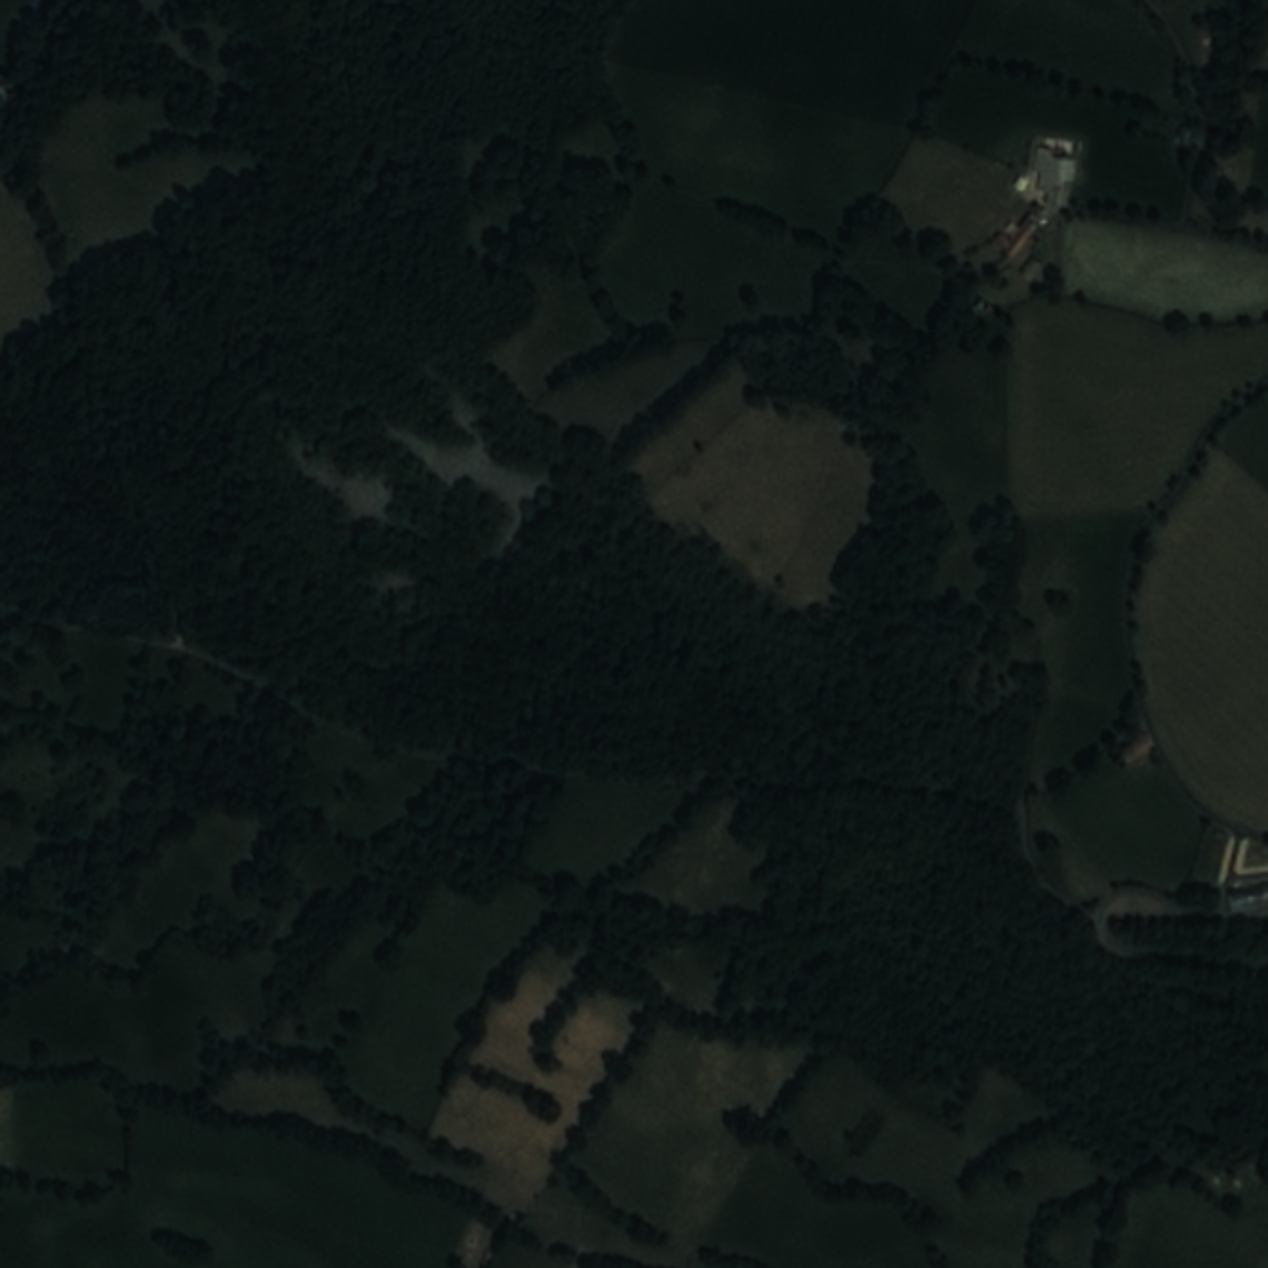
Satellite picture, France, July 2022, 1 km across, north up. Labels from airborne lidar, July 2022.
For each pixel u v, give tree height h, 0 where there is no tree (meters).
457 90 22
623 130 23
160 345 24
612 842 0
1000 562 24
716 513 0
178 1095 17
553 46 19
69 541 16
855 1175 0
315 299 13
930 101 16
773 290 0
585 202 21
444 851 22
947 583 0
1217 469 0
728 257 0
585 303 0
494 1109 0
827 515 0
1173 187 0
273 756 21
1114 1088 21
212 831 0
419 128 21
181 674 17
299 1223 0
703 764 20
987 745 13
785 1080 0
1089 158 0
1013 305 0
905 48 0
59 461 18
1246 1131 14
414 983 0
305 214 15
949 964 13
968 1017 19
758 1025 20
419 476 13
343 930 19
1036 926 17
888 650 16
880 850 13
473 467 0
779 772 24
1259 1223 0
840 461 0
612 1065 20
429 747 13
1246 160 0
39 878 7
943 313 17
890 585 14
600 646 25
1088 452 0
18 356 18
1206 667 0
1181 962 18
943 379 0
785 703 23
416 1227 0
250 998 0
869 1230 0
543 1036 22
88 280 23
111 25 19
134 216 0
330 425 12
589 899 10
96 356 20
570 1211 0
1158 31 10
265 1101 0
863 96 0
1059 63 0
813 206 0
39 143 17
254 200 28
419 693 21
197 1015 0
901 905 10
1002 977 21
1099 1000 18
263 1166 0
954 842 15
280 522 16
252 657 15
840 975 11
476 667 23
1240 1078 18
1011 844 14
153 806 14
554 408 0
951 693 15
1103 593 0
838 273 13
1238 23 17
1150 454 0
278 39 27
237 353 20
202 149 14
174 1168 0
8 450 15
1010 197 0
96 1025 0
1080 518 0
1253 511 0
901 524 16
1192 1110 21
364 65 16
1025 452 0
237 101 21
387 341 19
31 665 10
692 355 0
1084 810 0
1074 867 0
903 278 0
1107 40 0
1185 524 0
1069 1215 17
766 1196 0
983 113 0
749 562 0
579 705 26
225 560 21
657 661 28
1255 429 0
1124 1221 19
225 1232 0
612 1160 0
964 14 0
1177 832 0
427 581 16
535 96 21
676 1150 0
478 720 20
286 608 20
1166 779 0
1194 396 0
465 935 0
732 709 28
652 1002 18
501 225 0
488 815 7
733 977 18
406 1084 0
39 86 25
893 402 20
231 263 24
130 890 15
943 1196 0
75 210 0
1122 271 0
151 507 24
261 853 20
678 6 0
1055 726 0
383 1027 0
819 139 0
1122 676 0
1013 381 0
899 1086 10
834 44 0
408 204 15
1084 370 0
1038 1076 19
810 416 0
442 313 18
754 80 0
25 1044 0
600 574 17
